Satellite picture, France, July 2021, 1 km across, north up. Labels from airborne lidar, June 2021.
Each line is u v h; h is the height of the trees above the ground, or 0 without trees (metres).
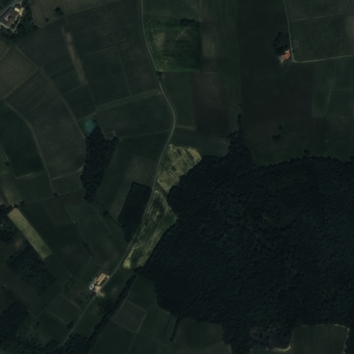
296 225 19
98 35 0
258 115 0
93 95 0
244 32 0
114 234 0
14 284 0
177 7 0
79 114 0
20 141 0
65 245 0
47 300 0
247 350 20
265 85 0
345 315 17
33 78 0
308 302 14
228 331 12
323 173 21
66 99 0
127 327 0
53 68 0
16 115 0
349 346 7
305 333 0
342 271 14
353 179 19
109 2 0
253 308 22
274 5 0
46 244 0
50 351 13
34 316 0
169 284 18
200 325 0
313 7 0
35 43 0
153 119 0
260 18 0
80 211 0
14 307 12
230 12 0
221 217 14
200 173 26
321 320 12
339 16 0
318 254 21
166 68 0
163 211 0
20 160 0
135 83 0
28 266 6
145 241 0
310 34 0
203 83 0
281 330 7
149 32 0
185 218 20
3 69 0
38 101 0
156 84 0
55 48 0
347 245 21
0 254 0
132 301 0
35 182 0
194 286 10
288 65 0
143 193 14
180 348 0
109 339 0
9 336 16
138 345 0
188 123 0
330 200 24
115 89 0
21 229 0
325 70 0
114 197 0
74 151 0
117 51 0
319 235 17
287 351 0
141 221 14
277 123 0
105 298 0
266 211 27
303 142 0
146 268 15
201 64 0
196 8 0
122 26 0
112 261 0
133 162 0
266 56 0
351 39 0
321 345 0
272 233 23
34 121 0
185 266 15
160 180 0
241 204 23
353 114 0
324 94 0
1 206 9
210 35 0
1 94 0
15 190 0
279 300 23
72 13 0
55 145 0
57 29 0
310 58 0
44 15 0
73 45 0
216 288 12
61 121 0
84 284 0
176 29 0
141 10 0
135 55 0
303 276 22
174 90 0
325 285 21
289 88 0
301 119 0
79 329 0
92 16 0
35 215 0
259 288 6
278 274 18
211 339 0
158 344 0
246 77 0
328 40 0
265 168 19
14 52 0
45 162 0
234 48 0
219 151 0
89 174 29
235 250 26
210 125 0
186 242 22
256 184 23
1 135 0
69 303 0
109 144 12
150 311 0
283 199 19
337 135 0
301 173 6
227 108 0
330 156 0
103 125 0
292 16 0
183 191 21
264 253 25
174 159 0
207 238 24
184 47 0
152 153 0
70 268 0
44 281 7
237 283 19
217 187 19
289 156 0
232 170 21
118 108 0
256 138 0
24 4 7
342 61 0
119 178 0
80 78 0
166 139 0
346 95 0
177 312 13
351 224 21
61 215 0
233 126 0
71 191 0
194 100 0
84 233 0
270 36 0
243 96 0
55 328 0
